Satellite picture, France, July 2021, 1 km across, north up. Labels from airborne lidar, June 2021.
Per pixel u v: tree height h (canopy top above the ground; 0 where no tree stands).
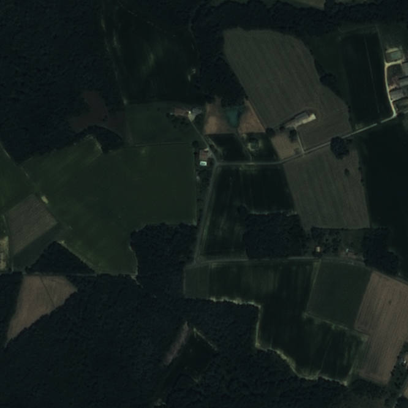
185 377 13
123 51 0
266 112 0
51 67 13
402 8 23
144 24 0
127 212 0
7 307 17
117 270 0
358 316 0
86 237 0
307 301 0
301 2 0
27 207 0
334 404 5
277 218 24
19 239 0
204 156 0
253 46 0
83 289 8
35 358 16
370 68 0
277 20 26
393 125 0
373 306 0
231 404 21
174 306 11
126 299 14
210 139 0
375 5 20
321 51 0
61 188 0
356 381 6
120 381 22
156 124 0
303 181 0
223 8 20
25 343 17
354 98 0
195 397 24
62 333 18
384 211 0
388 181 0
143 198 0
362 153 0
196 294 0
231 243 0
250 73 0
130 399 17
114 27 0
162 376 11
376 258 15
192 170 0
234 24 19
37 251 0
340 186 0
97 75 20
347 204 0
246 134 0
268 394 20
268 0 0
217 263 0
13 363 14
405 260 0
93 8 23
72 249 0
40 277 0
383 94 0
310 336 0
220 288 0
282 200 0
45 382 9
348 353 0
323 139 0
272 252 19
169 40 0
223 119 0
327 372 0
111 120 0
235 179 0
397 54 0
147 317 16
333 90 14
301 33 19
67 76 21
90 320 12
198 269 0
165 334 11
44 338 20
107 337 15
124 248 0
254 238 22
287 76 0
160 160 0
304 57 0
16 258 0
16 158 13
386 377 0
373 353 0
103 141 17
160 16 15
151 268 14
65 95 21
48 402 15
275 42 0
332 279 0
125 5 0
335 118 0
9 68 28
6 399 16
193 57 0
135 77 0
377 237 14
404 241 0
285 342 0
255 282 0
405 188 0
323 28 22
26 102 23
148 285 15
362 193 0
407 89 0
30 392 13
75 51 17
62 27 24
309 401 22
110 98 22
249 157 0
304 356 0
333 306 0
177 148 0
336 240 9
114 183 0
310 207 0
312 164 0
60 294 0
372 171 0
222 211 0
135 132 0
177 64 0
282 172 0
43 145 19
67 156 0
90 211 0
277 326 0
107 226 0
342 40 0
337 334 0
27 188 0
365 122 0
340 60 0
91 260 0
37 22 20
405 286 0
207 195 0
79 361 16
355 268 0
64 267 16
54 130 21
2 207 0
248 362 20
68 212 0
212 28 27
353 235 0
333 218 0
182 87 0
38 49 20
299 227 11
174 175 0
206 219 0
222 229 0
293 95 0
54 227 0
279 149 0
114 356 14
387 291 0
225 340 19
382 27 0
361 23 13
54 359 18
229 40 0
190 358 0
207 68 17
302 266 0
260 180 0
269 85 0
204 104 0
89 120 0
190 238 22
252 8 20
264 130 0
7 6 13
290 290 0
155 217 0
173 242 18
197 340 0
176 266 16
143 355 13
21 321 0
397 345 0
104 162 0
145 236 17
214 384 18
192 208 0
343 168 0
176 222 0
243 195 0
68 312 11
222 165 0
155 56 0
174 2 26
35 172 0
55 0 18
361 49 0
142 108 0
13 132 18
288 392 17
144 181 0
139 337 15
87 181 0
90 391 11
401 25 0
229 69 20
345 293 0
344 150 14
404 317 0
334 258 0
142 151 0
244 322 14
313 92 0
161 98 0
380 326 0
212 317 22
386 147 0
